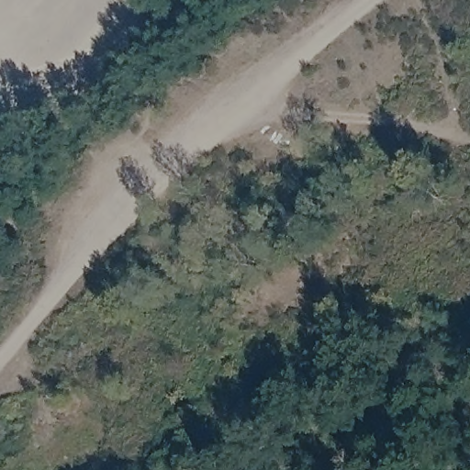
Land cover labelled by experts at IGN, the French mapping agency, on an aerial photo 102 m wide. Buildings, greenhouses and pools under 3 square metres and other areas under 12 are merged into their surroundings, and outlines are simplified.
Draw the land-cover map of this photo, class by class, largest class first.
<instances>
[{"label":"deciduous trees","instance_id":"1","mask_svg":"<svg viewBox=\"0 0 470 470\"><path fill-rule=\"evenodd\" d=\"M123 4L129 7L130 11L141 13L145 17V29L130 28L132 35L123 42L121 53L108 51L99 59V79L95 84L73 94H66L64 90L48 94L39 106L24 108L18 114H0V275L13 268V264L9 263V255H18V252H22V241L33 242V229L48 222L42 206L48 200H57L66 191H77V184L83 173V167H79L81 154L84 151H103L106 143H110L125 130L130 117L147 106H163L169 86H174L176 79L200 73L202 62L215 57V53L228 46L231 37L237 35L246 22L252 20V15L261 13L264 9H272L274 13L277 9L285 7V0H123ZM354 145L362 151V158L351 160L347 167H330L329 171H325L321 176L308 178L307 189L297 195L294 215H290L275 196L274 200H268L266 206H253L250 209H228L226 204L215 207L209 202H196L185 215L182 226L171 224L169 202L185 204L189 196H198L204 189V184L200 180L184 184L180 180L169 178L165 198H156L154 191L136 196V220L140 222V233L134 235L129 244L143 246L145 250H149L152 261L147 268H129V275L117 285L119 292L112 297L116 314L129 319L134 327H149L154 312L162 307L163 303L174 299L180 288L202 290L218 285L226 286L231 281H237L241 290L246 294H253L255 286L270 281L272 275L281 272L283 268L297 266L301 270L308 257H314L319 246L325 242V237L321 233L325 231L349 233V239L358 233L356 226L369 224L382 231H393L398 224H409L422 215L452 217L457 207H468L470 204V180L463 178L457 182V176L452 173L453 165L450 158L441 163H431L426 156H420L419 152L398 149L397 160L393 162L387 158L386 152L380 149L371 132L351 134ZM420 305H426V312L424 319L419 323H411L406 318H395L386 303H375L365 297L358 303V307L349 312H340L338 301L334 297H323L314 305L316 325H312L308 330L321 334V340L316 341L312 349H305L301 343L297 347L288 345L292 356H285V369H281L272 380L266 378L261 387L255 389L252 400L244 404L239 419L222 424V439L218 444H211L196 452L189 435L185 433L180 417H162L152 422V439L141 444L140 455L130 457L129 470H312V457L303 452V446L299 442H312L319 435V441L327 448H332L336 446L332 437L334 433L351 431L354 428V420L362 419L365 409L378 404L386 409L387 415L391 417V426L397 435L395 441H375L373 435H365L362 441L354 444L351 463H334V470H470V327L464 334H457L450 340L446 327L448 303L430 294L419 296ZM417 341L422 345L424 352H415L411 356L408 375L402 386L397 387L395 393H386L387 371L397 364L398 352L406 343ZM431 364L452 365L457 375L453 376V380L448 376H442V382H437ZM457 400L468 402V406L463 409L468 426L466 430H459V422L453 419V404ZM97 352L83 356L77 362V367L68 369L66 364H57L53 371L61 375V382L57 386L62 389V397L84 395L88 389H95L97 395L105 393L108 398L127 400L136 397L143 382L141 378H136L134 386H129V380L123 378V371L106 375L105 380H97ZM39 397L35 391H26L24 395L6 398L0 404V466L6 464L7 457H15L18 453L24 452L29 444V422L37 413Z\"/></svg>","mask_w":470,"mask_h":470},{"label":"brushwood","instance_id":"2","mask_svg":"<svg viewBox=\"0 0 470 470\"><path fill-rule=\"evenodd\" d=\"M318 6V0H285V7L277 9L274 13L272 9H264L261 13L252 15V20L246 22L237 35L279 33L285 28L286 18L294 15L296 7L314 9ZM422 9H408V13L400 17H393L389 13L386 2L378 4L376 9L378 39L382 44L389 40L400 44V66L404 72V75L395 77L393 86H378V92L382 95L378 108H384L400 125H409L406 117L413 110L419 121H439L448 116V110L442 94L431 90L430 86V79L435 77L437 66V55L433 51L435 48H442L444 70L448 75H452L453 84L450 88L453 95L459 99L457 112L461 129L470 132V0H422ZM362 158V151L354 145L351 134L347 129L345 123H338L329 143H323L308 156H286L277 163H270L268 160L261 162L241 147L229 151L224 145H217L211 151L198 152L195 162L187 165V173L182 174L180 180L184 184L200 180L204 184V189L198 196H189L185 204L169 202L171 224L182 226L185 215L196 202H209L215 207L226 204L228 209H250L253 206H266L268 200H274L275 196L290 215H294L297 195L307 189L308 178L321 176L325 171H329L330 167H347L351 160ZM422 138L419 152L420 156H426L431 163H441L450 158L453 165L452 173L457 176V182L463 178L470 180V143L452 145L448 140L433 138L428 132H419ZM358 233L349 239H340L341 246L351 248L352 252L358 255V259L352 266H347L345 272L338 277L343 285H364L365 297L375 303H386L395 318H406L411 323H419L424 319L426 312V305H420L419 296L430 294L448 303L446 327L450 340L457 334H464L470 327V204L468 207H457L452 217L422 215L409 224H398L393 231H382L369 224L356 226ZM51 226L48 222L33 229V242L22 241V252H18V255H9V263L13 264V268L0 275V345L17 325H20V321L28 316L31 305L42 292V286L46 285L48 274L46 242L42 235ZM233 290H241L237 281H231L226 286L218 285L202 290L180 288L174 299L163 303L162 307L154 312L149 327H134L129 319L116 314L112 297L119 292L117 285L106 288L99 296L88 292L81 301L72 303L66 312L59 314L53 321L50 334L42 336L39 345L29 352L33 362V373L28 378L18 380L20 389L0 395V404L6 398L24 395L26 391H35L39 397L50 395L48 387L57 386L61 382V375L53 371L57 364H66L68 369L77 367V362L83 356L97 352V380H105L106 375L123 371V378L129 380V386H134L136 378H141L143 382L136 397L127 400L108 398L105 393L97 395L95 389H88L84 395L90 398V408L83 411V428H57L53 431V437L44 446L33 448L29 444L24 452L18 453L15 457H7L6 464L0 466V470H129L130 457L140 455L141 444L152 439V422L162 417H180L185 433L189 435L196 452L211 444H218L222 439V424L239 419L244 404L252 400L255 389L261 387L266 378L272 380L281 369H285V356H292L288 345L297 347L301 343L305 349H312L316 341L321 340V334L308 330L297 338L299 305L285 310L277 303L268 305L266 325L244 321L248 312L242 310L233 299Z\"/></svg>","mask_w":470,"mask_h":470},{"label":"herbaceous vegetation","instance_id":"3","mask_svg":"<svg viewBox=\"0 0 470 470\"><path fill-rule=\"evenodd\" d=\"M352 0H318V6L314 9L296 7L294 15L286 18L285 28L279 33L237 35L231 37L228 46L215 53V57L202 62L200 73L176 79L174 86H169L163 106H147L130 117L125 130L138 132L141 116L149 119L151 127L145 130L143 141L152 147L154 141L162 140L174 125L191 116L198 106L206 101V95L218 83L229 81L231 75L242 73L246 66L264 59V55L272 53L292 35L307 28L310 22L325 15V11L332 4ZM389 13L393 17H400L408 13V9H422V0H386V2ZM400 44L389 40L382 44L378 39L376 9L367 13L362 20L354 22L351 28L345 29L338 39L332 40L318 55H314L312 61L303 62L301 72L286 84V105L290 108H305V99H312L316 103L314 106L323 112L336 108L349 112H365L367 116L375 112L378 116L376 125H351L347 129L351 134L371 132L380 149L386 152L387 158L393 162L397 160L398 149L419 152L422 138L419 132H415L409 125H400L384 108H378L382 95L378 92V86H393L395 77L404 75V72L400 66ZM442 48H435L433 51L437 55V66L435 77L430 79V86L431 90L442 94L448 110L452 108L457 112L459 99L453 95L450 88L453 84L452 75H448L444 70ZM338 123L314 119V123L305 125L303 119L283 116L277 121H272L266 132L250 130L237 136L233 141H226L224 145L229 151L241 147L261 162L268 160L270 163H277L286 156H308L323 143H329ZM48 222L51 226L42 235L46 242L48 274L57 268L61 257V248L57 246V241L62 231V213L66 211V198L62 195L57 200H48L42 206ZM140 233V222L136 220L123 235H119L116 241L108 244L103 255L92 257L83 277L68 290L61 305L51 310L48 318L35 330L33 338L28 340L29 352L39 345L42 336L50 334L53 321L59 314L66 312L72 303L81 301L88 292L99 296L106 288L117 285L129 275V268H147L152 261L149 250H145L143 246L129 244L134 235ZM325 237V242L319 246L314 257H308L301 270L297 266L283 268L281 272L272 275L270 281L255 286L253 294H246L241 290H233V299L242 310L248 312L244 321L266 325L268 305L277 303L285 310L299 305L297 338L308 330L312 325H316L314 305L323 297H334L338 301L340 312H349L358 307V303L365 297L364 285H343L338 277L345 272L347 266H352L358 259V255L352 252L351 248L341 246L340 239H349V233L325 231L321 233ZM415 352H424L422 345L417 341L406 343L398 352L397 364L387 371L386 393H395L397 387L402 386L408 375L411 356ZM437 382H442V376H448L453 380V376L457 375L452 365L431 364ZM50 395L39 397L37 413L29 422V444L33 448L44 446L53 437V431L57 428H83V411L90 408V398L84 395L62 397V389L57 386L48 387ZM468 406V402L457 400L453 404V419L459 422V430H466L468 426L463 409ZM365 435H373L375 441H395L397 435L391 426V417L387 415L386 409L378 404L365 409L362 419L354 420V428L351 431L334 433L332 437L336 446L332 448H327L319 441V435L312 442H299L303 446V452L312 457V470H334V463H351L354 444L362 441Z\"/></svg>","mask_w":470,"mask_h":470},{"label":"pervious surface","instance_id":"4","mask_svg":"<svg viewBox=\"0 0 470 470\"><path fill-rule=\"evenodd\" d=\"M386 2V0H352L332 4L325 11V15L310 22L307 28L292 35L272 53L264 55V59L246 66L242 73L231 75L229 81L218 83L206 95V101L198 106L191 116L174 125L162 140L154 141L152 147L143 141L145 130L151 127L149 119L141 116L138 132L125 130L110 143H106L103 151H84L81 154L79 167H83V173L77 184V191H66L62 195L66 198V211L62 213V231L57 241V246L61 248V257L57 268L48 274L46 285L42 286V292L31 305L28 316L20 321V325H17L0 345V395L20 389L18 380L28 378L33 373V362L29 352L28 340L33 338L35 330L48 318L51 310L61 305L68 290L83 277L92 257L103 255L108 244L116 241L119 235H123L136 220V196L154 191L156 198H165L169 178L180 180L182 174L187 173V165L195 162L198 152L211 151L217 145H224L226 141H233L237 136L250 130L266 132L272 121H277L283 116L303 119L305 125L314 123V119L338 123H345L347 129L351 125H376L378 116L375 112L367 116L365 112H349L336 108L323 112L314 106L316 103L312 99H305V108H290L286 105V84L301 72L303 62L312 61L314 55H318L332 40L338 39L345 29L351 28L354 22L362 20L367 13L376 9L378 4ZM409 125L415 132H428L433 138L448 140L452 145L470 143V132L461 129L457 112L452 108L448 110V116L439 121H419L413 110L406 117Z\"/></svg>","mask_w":470,"mask_h":470},{"label":"bare soil","instance_id":"5","mask_svg":"<svg viewBox=\"0 0 470 470\"><path fill-rule=\"evenodd\" d=\"M130 28L145 29V17L141 13L130 11L129 7L123 4V0H0V114H18L24 108L39 106L48 94L64 90L66 94H73L95 84L99 79V59L108 51L121 53L123 42L132 35Z\"/></svg>","mask_w":470,"mask_h":470}]
</instances>
